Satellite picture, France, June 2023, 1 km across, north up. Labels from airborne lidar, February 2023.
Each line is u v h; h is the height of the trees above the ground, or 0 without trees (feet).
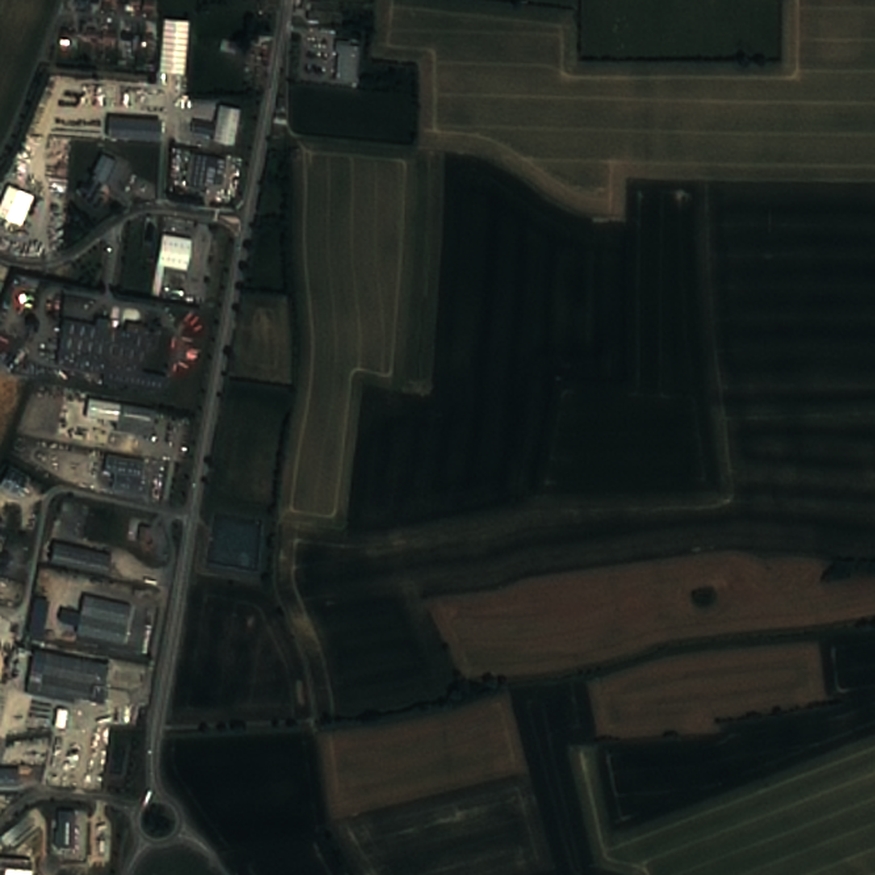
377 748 0
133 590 0
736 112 0
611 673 0
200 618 0
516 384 0
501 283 0
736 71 0
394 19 0
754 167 0
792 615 0
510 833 0
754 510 0
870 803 0
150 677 0
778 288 0
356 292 0
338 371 0
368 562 0
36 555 0
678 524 0
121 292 36
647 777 0
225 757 0
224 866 0
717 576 0
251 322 0
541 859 0
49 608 0
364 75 30
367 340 0
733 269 0
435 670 0
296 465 0
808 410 0
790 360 0
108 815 0
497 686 39
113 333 0
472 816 0
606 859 0
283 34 0
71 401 0
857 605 0
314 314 0
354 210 0
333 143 0
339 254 0
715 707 0
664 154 0
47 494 0
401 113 0
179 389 0
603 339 0
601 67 0
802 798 0
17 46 0
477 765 0
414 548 0
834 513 0
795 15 0
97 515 0
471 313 0
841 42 0
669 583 0
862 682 0
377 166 0
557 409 0
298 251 0
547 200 0
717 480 0
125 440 0
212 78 0
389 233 0
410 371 0
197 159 0
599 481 0
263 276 0
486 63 0
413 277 0
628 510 0
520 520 0
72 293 0
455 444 0
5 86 0
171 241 0
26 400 0
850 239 0
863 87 0
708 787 0
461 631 0
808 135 0
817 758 0
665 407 0
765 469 0
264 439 0
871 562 25
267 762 0
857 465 0
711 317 0
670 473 0
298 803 0
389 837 0
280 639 0
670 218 0
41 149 0
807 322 0
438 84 0
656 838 0
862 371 0
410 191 0
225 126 0
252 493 0
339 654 0
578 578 0
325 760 0
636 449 0
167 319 0
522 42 0
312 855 0
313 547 0
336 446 0
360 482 0
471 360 0
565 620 0
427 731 0
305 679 0
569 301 0
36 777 0
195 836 0
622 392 0
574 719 0
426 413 0
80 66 21
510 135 0
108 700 0
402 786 0
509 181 0
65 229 23
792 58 0
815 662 0
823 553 0
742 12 0
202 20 0
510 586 0
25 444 0
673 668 0
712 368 0
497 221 0
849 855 0
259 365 0
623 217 0
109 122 0
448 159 0
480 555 0
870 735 0
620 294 0
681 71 0
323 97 0
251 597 0
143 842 0
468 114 0
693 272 0
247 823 0
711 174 0
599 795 0
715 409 0
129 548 0
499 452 0
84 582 0
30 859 0
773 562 0
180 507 0
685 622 0
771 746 0
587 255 0
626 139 0
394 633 0
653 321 0
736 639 0
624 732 0
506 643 0
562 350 0
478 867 0
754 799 0
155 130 0
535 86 0
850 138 0
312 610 0
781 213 0
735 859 0
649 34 0
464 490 0
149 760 0
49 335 0
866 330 0
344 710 0
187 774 0
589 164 0
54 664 0
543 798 0
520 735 0
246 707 0
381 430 0
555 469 0
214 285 0
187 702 0
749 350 0
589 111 0
